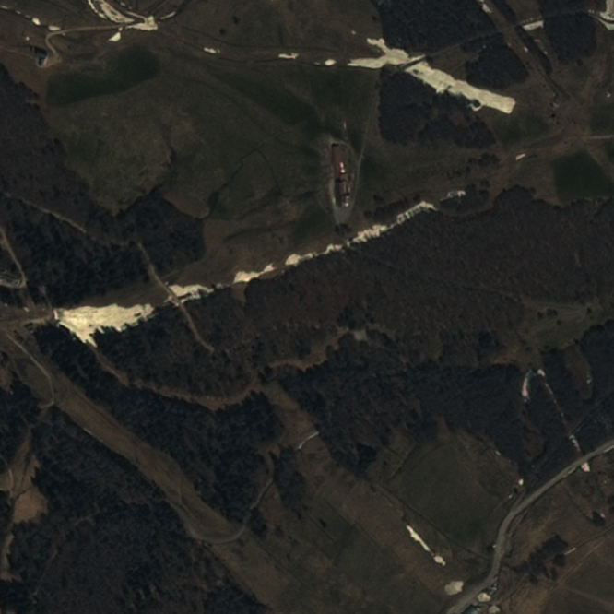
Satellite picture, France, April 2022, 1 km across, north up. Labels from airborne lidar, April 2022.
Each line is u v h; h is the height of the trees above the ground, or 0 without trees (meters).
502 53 12
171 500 0
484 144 8
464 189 0
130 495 19
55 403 0
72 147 0
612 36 0
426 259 17
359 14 0
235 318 23
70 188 20
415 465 0
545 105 0
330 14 0
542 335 0
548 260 15
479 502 0
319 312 15
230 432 22
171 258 20
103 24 0
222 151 0
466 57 0
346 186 0
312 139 0
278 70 0
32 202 17
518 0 0
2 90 18
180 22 0
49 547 23
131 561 19
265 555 0
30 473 0
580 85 0
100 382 16
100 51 0
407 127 8
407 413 17
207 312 19
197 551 20
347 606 0
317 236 0
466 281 19
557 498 0
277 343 21
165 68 0
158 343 25
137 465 0
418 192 0
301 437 0
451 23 14
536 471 10
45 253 14
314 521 0
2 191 14
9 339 0
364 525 0
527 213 13
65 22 0
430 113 9
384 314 18
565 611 0
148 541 21
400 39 12
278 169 0
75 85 0
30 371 0
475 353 18
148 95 0
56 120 0
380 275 19
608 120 0
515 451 14
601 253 16
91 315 0
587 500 0
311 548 0
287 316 14
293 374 15
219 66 0
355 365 19
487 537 0
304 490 14
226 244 0
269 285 13
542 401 13
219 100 0
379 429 15
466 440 0
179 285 0
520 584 0
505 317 18
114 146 0
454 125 12
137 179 0
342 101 0
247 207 0
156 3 0
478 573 0
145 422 25
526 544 0
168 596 15
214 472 14
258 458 22
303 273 16
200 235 15
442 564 0
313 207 0
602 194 0
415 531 0
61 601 21
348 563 0
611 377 15
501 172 0
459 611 0
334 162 0
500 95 0
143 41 0
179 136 0
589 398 0
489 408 17
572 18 12
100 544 22
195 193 0
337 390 14
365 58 0
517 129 0
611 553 0
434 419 14
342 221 0
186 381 15
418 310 21
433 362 13
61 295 31
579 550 0
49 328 6
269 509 0
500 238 10
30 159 21
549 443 11
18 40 0
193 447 14
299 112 0
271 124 0
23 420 19
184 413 12
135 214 20
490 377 19
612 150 0
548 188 0
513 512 0
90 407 0
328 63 0
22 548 19
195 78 0
